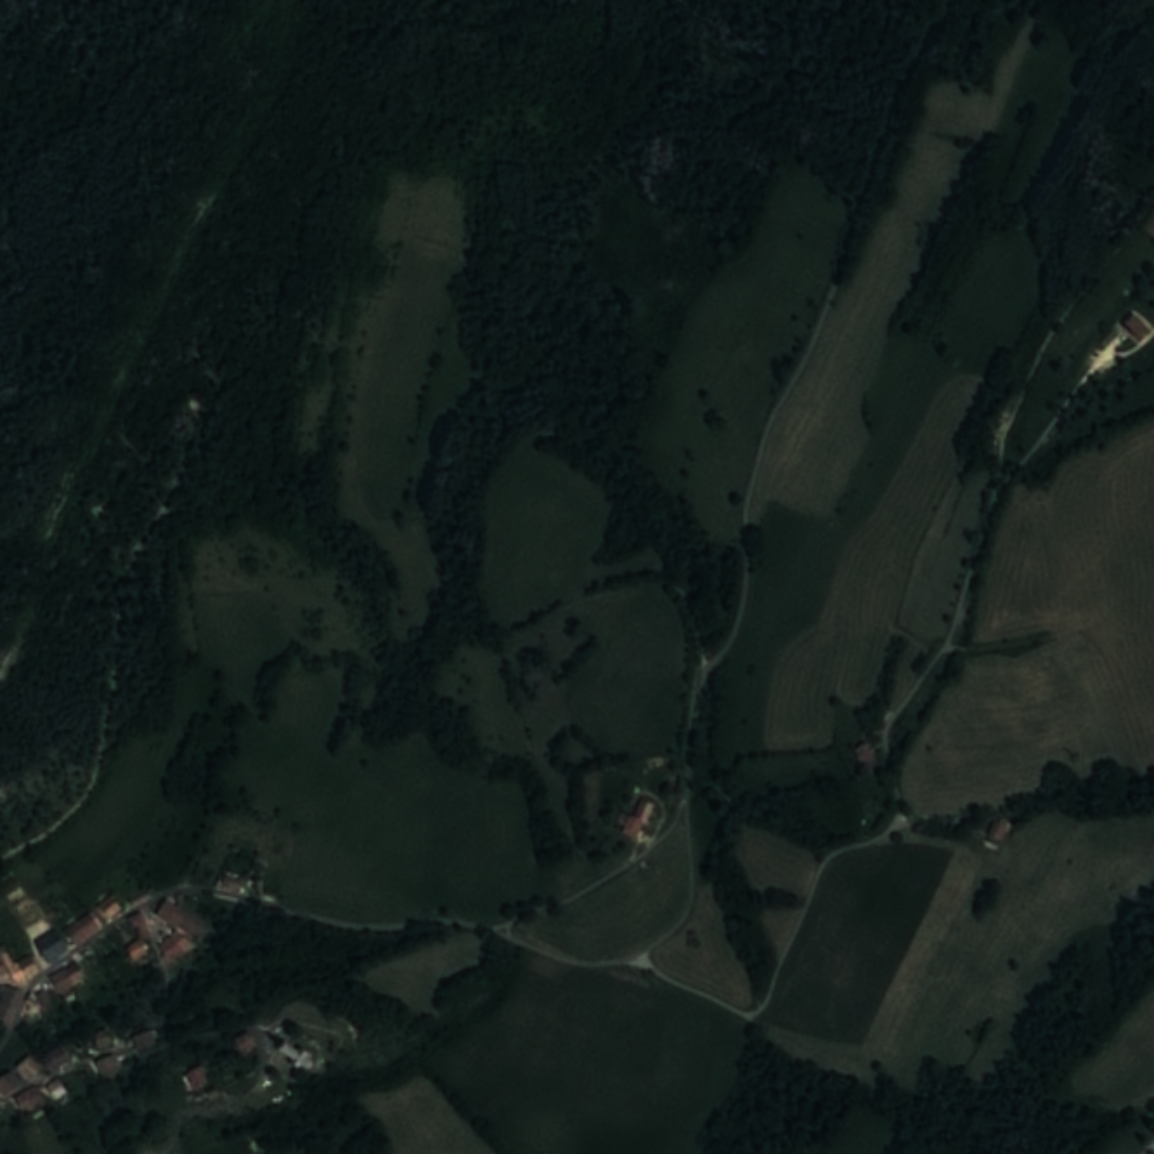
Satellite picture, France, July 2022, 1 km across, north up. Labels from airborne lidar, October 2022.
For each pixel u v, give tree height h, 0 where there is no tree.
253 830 0
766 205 8
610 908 0
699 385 0
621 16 24
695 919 0
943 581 0
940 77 13
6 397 15
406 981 0
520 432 23
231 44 6
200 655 7
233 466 17
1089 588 0
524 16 31
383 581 14
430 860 0
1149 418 12
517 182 28
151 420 20
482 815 0
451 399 0
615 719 0
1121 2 26
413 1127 0
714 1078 0
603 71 16
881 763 6
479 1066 0
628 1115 0
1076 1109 16
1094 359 0
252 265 19
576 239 17
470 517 19
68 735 18
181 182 8
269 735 0
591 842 7
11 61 11
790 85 7
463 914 0
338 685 0
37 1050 8
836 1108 17
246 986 9
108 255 22
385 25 33
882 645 0
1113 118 21
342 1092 22
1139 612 0
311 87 21
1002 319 0
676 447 0
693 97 22
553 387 36
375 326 0
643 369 20
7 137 12
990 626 0
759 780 0
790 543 0
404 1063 9
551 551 0
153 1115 6
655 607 0
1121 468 0
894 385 0
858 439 0
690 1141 0
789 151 16
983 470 7
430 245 0
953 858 0
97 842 0
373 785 0
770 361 0
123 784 0
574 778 13
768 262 0
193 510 15
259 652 0
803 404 0
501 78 15
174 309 12
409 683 25
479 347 19
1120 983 12
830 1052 0
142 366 11
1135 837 0
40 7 10
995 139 14
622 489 23
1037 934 0
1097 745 0
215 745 0
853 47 31
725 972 0
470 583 19
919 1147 21
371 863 0
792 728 0
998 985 0
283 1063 0
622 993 0
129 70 8
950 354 17
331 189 18
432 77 28
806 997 0
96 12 21
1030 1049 17
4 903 0
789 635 0
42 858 17
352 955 9
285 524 9
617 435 26
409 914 0
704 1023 0
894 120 20
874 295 0
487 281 20
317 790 0
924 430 0
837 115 17
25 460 14
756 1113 19
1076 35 19
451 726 16
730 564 15
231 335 20
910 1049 0
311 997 6
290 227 19
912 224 0
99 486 11
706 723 18
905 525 0
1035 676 0
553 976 0
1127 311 0
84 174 18
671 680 0
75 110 15
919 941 0
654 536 11
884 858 0
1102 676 0
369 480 0
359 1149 16
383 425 0
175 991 13
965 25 17
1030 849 0
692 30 26
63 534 9
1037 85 0
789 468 0
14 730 18
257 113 11
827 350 0
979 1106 12
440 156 6
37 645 11
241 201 17
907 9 25
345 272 9
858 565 0
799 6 18
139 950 0
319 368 7
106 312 7
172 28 19
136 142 18
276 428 15
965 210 16
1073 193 25
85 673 18
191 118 16
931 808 0
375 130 22
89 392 8
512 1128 0
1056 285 17
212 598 0
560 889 0
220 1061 10
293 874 0
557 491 0
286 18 11
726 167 15
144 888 8
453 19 22
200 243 8
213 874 7
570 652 0
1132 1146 0
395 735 19
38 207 21
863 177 20
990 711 0
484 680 0
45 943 0
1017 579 0
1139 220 13
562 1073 0
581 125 16
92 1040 13
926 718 12
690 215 16
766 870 0
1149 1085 0
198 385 16
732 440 0
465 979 14
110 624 18
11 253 10
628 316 23
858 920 0
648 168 12
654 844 0
